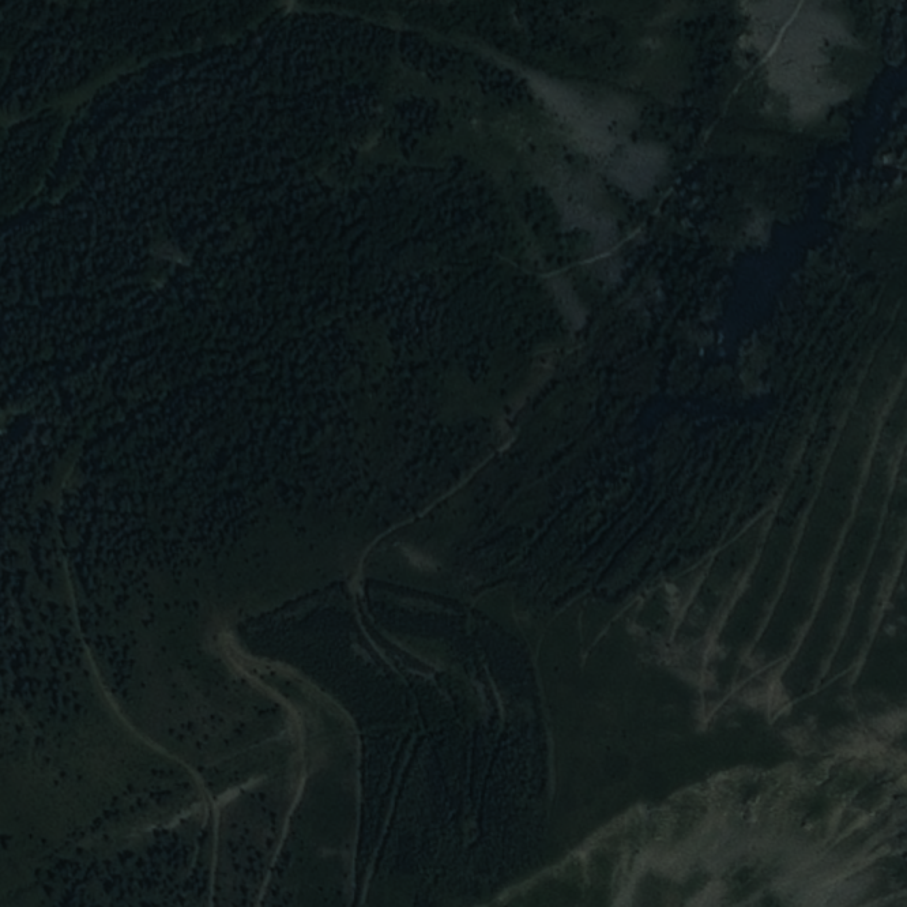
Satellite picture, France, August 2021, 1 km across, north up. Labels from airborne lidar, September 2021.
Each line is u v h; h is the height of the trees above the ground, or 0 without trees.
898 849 0
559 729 0
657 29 0
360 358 18
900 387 0
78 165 25
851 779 0
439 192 7
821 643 0
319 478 8
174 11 17
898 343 0
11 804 0
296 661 9
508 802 8
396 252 12
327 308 7
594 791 0
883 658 0
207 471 7
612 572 7
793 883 0
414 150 16
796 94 0
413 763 6
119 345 25
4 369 10
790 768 0
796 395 6
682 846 0
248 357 10
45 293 25
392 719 13
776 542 0
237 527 8
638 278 8
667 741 0
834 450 0
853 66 0
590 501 14
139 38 9
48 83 27
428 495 6
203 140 15
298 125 10
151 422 15
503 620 0
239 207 10
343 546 0
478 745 8
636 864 0
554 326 8
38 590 0
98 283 16
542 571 8
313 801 0
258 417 8
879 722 0
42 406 21
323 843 0
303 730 0
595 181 0
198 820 0
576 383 7
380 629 5
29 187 8
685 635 0
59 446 6
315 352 10
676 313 8
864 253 0
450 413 0
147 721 0
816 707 0
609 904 0
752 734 0
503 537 8
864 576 0
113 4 16
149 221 18
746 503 0
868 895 0
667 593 0
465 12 6
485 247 7
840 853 0
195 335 9
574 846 0
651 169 0
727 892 0
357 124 19
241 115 15
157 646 0
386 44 12
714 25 10
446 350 10
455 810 8
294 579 0
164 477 10
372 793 6
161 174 16
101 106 11
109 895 12
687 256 15
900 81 0
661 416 6
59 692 7
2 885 0
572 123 0
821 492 0
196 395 16
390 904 0
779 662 0
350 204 9
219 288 9
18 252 29
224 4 10
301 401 12
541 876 0
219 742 0
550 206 7
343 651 9
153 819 0
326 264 10
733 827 0
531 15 11
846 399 0
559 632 0
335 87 17
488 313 9
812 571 0
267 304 10
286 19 7
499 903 0
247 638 7
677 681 0
